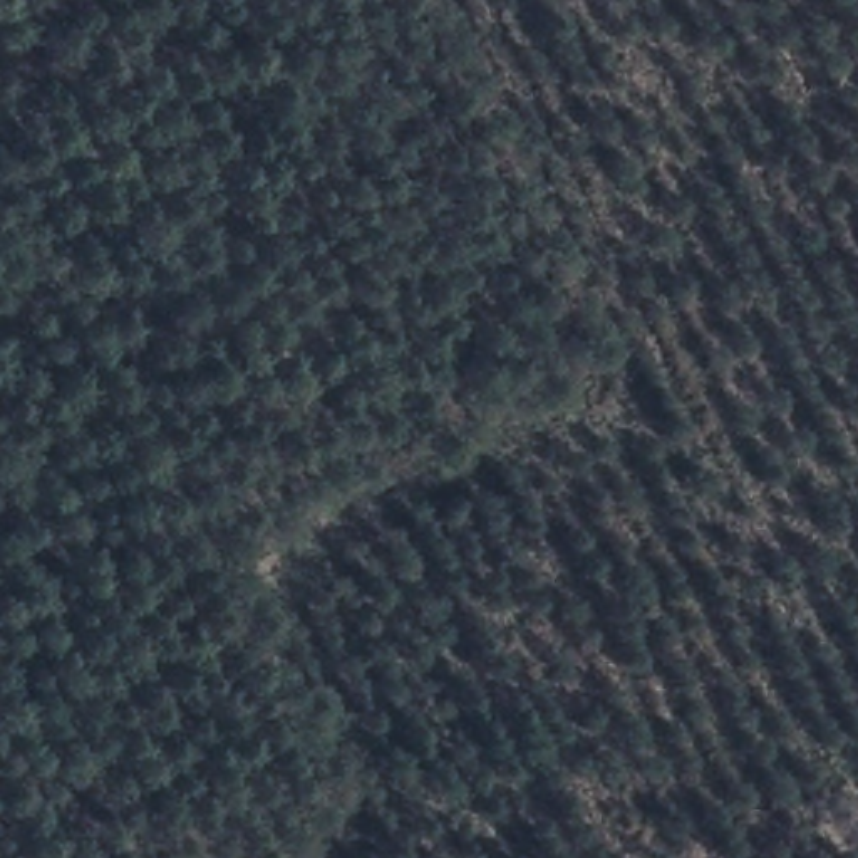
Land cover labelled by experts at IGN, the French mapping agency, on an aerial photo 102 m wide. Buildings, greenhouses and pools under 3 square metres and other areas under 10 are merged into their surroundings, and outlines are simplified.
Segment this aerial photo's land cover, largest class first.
<instances>
[{"label":"coniferous trees","instance_id":"1","mask_svg":"<svg viewBox=\"0 0 858 858\"><path fill-rule=\"evenodd\" d=\"M47 13H54L50 0H0V23H10V50H30L40 37L37 27ZM483 7V0H412V54L402 67L406 84L395 90L389 70L372 60L379 50L395 44L389 0H137L124 17L134 44L124 54L114 50V67L101 74L94 84V104L101 121L84 127L77 104H60L70 141L54 144V131L44 117H37L34 131L40 158L34 164H17L10 174L0 178V315H13L20 295L34 288L37 258L50 248V241H67L87 228L84 208H77L67 221L54 228L44 225L40 208L67 194V178L60 164L80 158L94 144H114L121 158L117 164H101L87 174V184L111 198L114 225H127L134 204H141L151 215V225L127 251L111 255L104 245L94 248L90 265L97 278L67 288L60 298L80 315V322L94 318L111 292L178 295L191 312L181 325L178 349L168 355V369L161 372L164 389H141L134 365L121 359L124 349H141L147 339V322L141 315H131V322H121L117 328L111 325L97 339V355L90 359L87 375L67 399L50 389V379L44 372H34L23 362H17V342H0V509L20 506V533L10 536V550L0 556V580L20 570V580L30 587V600H17L7 607V613H0V818H23L37 824L34 858H141L134 845V835L141 828H168L171 838L191 828V804L204 791V781L194 764L198 754L218 737V727L204 724L194 734V741L178 754H164L161 744L171 731H178L184 707H208L215 700L235 711L238 737L251 734L261 721L271 717L285 737L292 771L302 781L305 794L295 804L285 801L282 788L268 791V801L258 804L251 798L248 774L268 764V741L251 754H225V771L238 798V811L251 821L258 841L268 848L271 858H325L328 845L359 811V801L375 808L402 858H456L446 848L439 811H426L429 791L419 784V768L406 751L395 754V771L402 781V794L422 818V828H399V814L385 801L375 768L362 761L349 734V717L335 687L325 680L322 664L312 654L308 630L295 620V613H288L282 587L275 580L261 583L258 560H285L292 553H305L315 543V526L335 523L342 509L352 506L359 496H382L399 479L412 476L456 479L476 466V459L499 456L506 449H523L533 439V432H550L553 426L583 419L593 406H603L607 399H617L623 406L627 342L637 339L640 318L633 312L620 325H613L607 315V302L617 295V268L613 258L597 245L590 208L576 181L570 178L560 151L550 144L533 97L516 101L509 121L489 131V137L479 147H466L456 158V174L463 188L449 198L439 188L419 181L409 184L422 154L446 144V131H426L409 141V147L399 158L392 151L395 127L432 101L419 80V70L432 57V34L446 30L456 40V50H449V57L439 67V80L469 70L476 77V90L463 104V114L469 121L479 117L499 90L493 64L476 40V10ZM174 20L181 27H194L211 50H218L238 23L258 27L265 34L261 57H235L228 74H208L201 60L188 57L198 87L181 90L174 84V74L154 57L158 37ZM268 84H275L288 97V107L282 124L265 137L248 188L258 201V218L271 238V248L282 251L271 265L258 258L251 245L225 238L221 215L228 204L218 178V171L228 168L241 151V134L235 131L228 114L235 90H261ZM342 101L349 114L362 121V131L372 141V154L379 161L365 178L352 171L345 141L335 137L328 147L312 137L315 117L339 107ZM506 144H516L523 158L516 168L523 191L519 198L530 204L540 225L536 231H526V218L503 211L506 188L496 171V161L506 154ZM322 174L339 178L325 194L332 225L315 238L305 228L302 211L282 215L278 204L292 191V184L315 181ZM560 191L573 208L576 235H566L553 248L546 235L560 225V215L550 194ZM191 231L201 235L208 251V265L194 271L181 251V241ZM342 238L349 241L352 258L375 285L379 315L365 325H349V349L339 359H332V365L315 372L312 359H305L295 369L298 375L292 382H282L275 362L265 352V339L282 335V345L295 349L298 339L312 325H318L328 308L345 305L349 282L342 265L328 251ZM566 312L583 315L590 325L587 339L580 342V355H563L556 349V332ZM215 322H231L248 339V359L241 365H235L225 342L194 345L201 332ZM469 335L493 352L489 375H463L456 369V345ZM365 362L372 369L369 385L355 392L352 409L342 419L328 416V409L318 402L322 392L339 385L345 372L362 369ZM221 402L241 406V426L248 439L228 442L225 449H211L208 442L218 432ZM97 406L104 412H127L131 429H124L121 436L94 439L80 422ZM64 439L70 442L74 466L111 463L121 479L97 483L77 496L44 459L47 449ZM111 496H127L134 513L90 523L87 506ZM198 570L204 573V580L215 590V600L221 603V627L211 633L201 630L198 640L181 637L178 627L194 617V603H184L174 610L164 630L147 640L137 630L141 620L151 610H158V603L188 573ZM87 593H97L94 613L87 617L90 637L97 644L90 650H77L64 610ZM40 617L50 620L57 660L54 670L44 677L47 704L34 707L23 687V667L37 650L30 623ZM225 650H235V654H238V660L245 664L248 677H251V680H248V684H245L241 690H235V687L228 684V677H225V667H221V654H225ZM161 660H184V664H191V680H188V684H174V687H168V684H164V677L158 674V664H161ZM44 724H57L60 737H64V741L70 744V751L77 754V761H57V754H54V751H50V747L44 744V734H40V727H44ZM117 757L134 764L121 788V801L131 804L147 798L151 791H161L171 811H147L134 818L124 831L107 821H90L84 835L70 841L57 814ZM610 7L623 23V40L633 47L644 44V30L657 34L660 23L677 20L684 44L700 50L690 64V90L700 104L714 97L711 77L717 64H724L744 40L757 57L761 70L768 74V87H774L781 77L778 50L788 47L798 54V30L788 34L781 44H768L751 20L747 0H613ZM107 27L104 10L97 7L77 27L74 37L64 40V57L57 64L80 70L90 60L94 40ZM556 34L563 50L570 54L580 90L587 94L597 84V77L576 40V23L563 20ZM818 47L828 54L831 74L838 80L848 77L851 60L838 44V27L828 20L814 30ZM600 57L613 77V90L623 97L633 87L637 70L623 67V54L603 50ZM23 80L0 77V117L17 114ZM603 124V137L613 144L617 137H623L617 114L623 104L587 97ZM680 141V151L670 154V168H690L700 158V144L674 101L670 107H664ZM784 114L791 137L804 154L818 151V134L804 117V107L788 104ZM851 184L858 191V127H848L838 137ZM737 184L744 188L764 238L774 248V258L791 278L801 308L808 312L814 339H831L835 328L821 312V298L804 278L801 265L794 261L788 238L774 221V201L754 171L744 178L737 174ZM694 204H684L670 215L667 228L657 238L664 258H680L684 241L694 235ZM741 265L754 282V292L741 295L734 285H724L721 292V305L737 332V342H731L721 352V372H737V365H751L761 355V339L751 328L747 312H778L774 285L757 251H751L741 258ZM828 285L858 342V305L848 292L841 265L828 268ZM640 292L654 305L664 335L674 339L677 318L700 302L697 282H684L674 295L664 298L654 275H644ZM811 409L824 422L831 446L841 449V459L835 466L814 459L811 432H798L791 436V442H781L764 459L768 476L757 483L737 459L717 409H711L704 422L694 426L670 375H660L654 382L670 419V429L660 432L650 446V466L657 473V483L687 536L690 556L704 563L711 590L721 600V610L737 613V607L764 603L771 613L791 677L798 680V690L811 707L814 721L828 734V744L811 741L794 724L791 711L778 714V727L788 734V747L811 768L814 788L831 784L845 791V784L855 781V771L845 761V734L828 714L821 690L808 670L804 650L794 637V630H801L818 613L804 593L798 560L778 566L791 587V593H781V587L771 583L764 570L751 560V536H757L768 550H781L774 530L791 526L794 533L814 543L818 576L835 607L841 610L848 633L858 647V385L851 379L841 382L848 412H838L821 392L818 375H801ZM674 452H684V456H687V463H690V466H697V479H700V483H697V489H684V486H680V483L674 479V473H670V456H674ZM801 469L811 476L814 493L831 513V533L818 530L788 489L791 476ZM700 519H714L734 533L737 570L731 580L724 576L717 553L700 530ZM600 446L576 463L580 476L617 459V439L597 436ZM540 469L546 483L540 489L530 486L523 469L506 473V483L526 506L530 533L519 540L509 530L503 499L489 493L486 513L493 536L503 543L506 556L516 560V566L526 573L530 587H546V580L556 570V553L550 546L553 523L570 526L580 553L593 550L597 540L610 530L630 576L623 603V637L630 647V664L640 674H650L654 660L647 650L644 620L657 603V583L637 553V543L647 540L654 556L664 560L677 600L694 593L687 573L677 566L667 540L654 530L640 483L627 489V513L613 509L610 493H600L597 516L583 523L573 513L560 463L553 456H543ZM416 519L429 533L442 570H459L456 546L439 530L436 509L419 506ZM389 543L395 546V553L382 563L365 543L349 546V560H355L375 583L372 593H359L352 580H339L318 607L335 660L342 670H349L365 707V717L375 727V737H389V717L375 707L369 684V670L382 664L392 700L422 741L432 771L446 784L449 811L463 808L466 798L479 791L489 794L493 788L509 784L523 788L533 774L546 768V778L556 788L580 774L597 778L603 788H610L613 794L600 801V814L613 821V831L620 824L637 821V794L623 801L617 794V788L630 784V768L617 751L607 757L580 761L573 768H566L556 754L563 744L607 731V714L600 711L590 721L570 724L563 707L546 711L540 717L533 700L519 697L516 714L526 721L533 741L516 751L509 731L489 707V697L476 670L466 667L459 680L483 727L493 734L496 754L506 761V774H489V768L479 764L476 744L459 731L456 707L436 700L439 687L429 667L456 647L449 613L452 607H466L486 654L493 657L499 680L506 684L516 677V654H506L503 623H489L496 610H513L509 580L496 573L493 597H476L469 590V580L446 583L442 593H432L422 580V560L416 546L402 530H395ZM342 600L349 607L375 610L365 623L369 654L362 657H355L345 647L339 620ZM734 640L744 654V667H727L717 677L734 700V714L744 734H751L761 727V721L747 700V690H754L751 670L764 667V660L757 654V644L751 640V627L744 623L734 630ZM546 644L560 670H543V677L533 680L543 694L576 687L580 664L607 654L600 633L570 647L560 633H553ZM821 660L828 664V674L838 684V694L858 731V687L851 684L838 647H821ZM674 667L690 697V717L704 731L714 724V707L707 700L694 660L680 657ZM674 741L684 751L687 774L700 778L704 761L690 734L677 727ZM761 764L768 778L778 784V808L788 811L801 841L821 835V828L808 818L794 774H788L778 761V747L764 744ZM734 858H747V831L757 824V791L751 788L727 804L721 798L711 808ZM566 804H570V818L576 821V824H580V835H583V841H587V845H590V855H593V858H610V848L597 841V835H593V828H590V824H583V821H580V808H576V798H570ZM667 851H687L697 845L694 821L690 814H684L674 821L667 835H660Z\"/></svg>","mask_w":858,"mask_h":858},{"label":"bare soil","instance_id":"2","mask_svg":"<svg viewBox=\"0 0 858 858\"><path fill-rule=\"evenodd\" d=\"M613 0H483V7L476 10V40L493 64L499 90L479 117L489 131L509 121L516 101L533 97L550 144L560 151L570 178L576 181L590 208L597 245L613 258L617 268V295L607 302V315L613 325H620L633 312L640 318L637 339L627 342L623 406L617 399H607L603 406H593L583 419L553 426L550 432H533V439L523 449H506L499 456L476 459V466L456 479L412 476L399 479L382 496H359L352 506L342 509L335 523L315 526V543L305 553H292L285 560H258L261 583L275 580L282 587L288 613H295V620L308 630L312 654L322 664L325 680L335 687L349 717V734L362 761L375 768L385 801L399 814V828H422V818L402 794V781L395 771V754L406 751L419 768V784L429 791L426 811H439L446 848L456 858H593V855H590V845H587V841H583V835H580V824H576V821L570 818V804H566L570 798H576V808H580V821H583V824H590V828H593V835H597V841L610 848V858H734L711 808L721 798L727 804L751 788L757 791V824L747 831V858H848L841 851L845 835L838 824L851 814L845 801L858 794V731L838 694V684L828 674V664L821 660V647H838L851 684L858 687V647L848 633L841 610L835 607L818 576L814 543L794 533L791 526L774 530L781 550H768L757 536H751V560L764 570L771 583L781 587V593H791V587L778 566L798 560L804 593L818 613L801 630H794V637L804 650L808 670L821 690L828 714L845 734V761L855 771V781L845 784V791L831 784L814 788L811 768L788 747V734L778 727V714L791 711L794 724L811 741L828 744V734L814 721L811 707L798 690V680L791 677L771 613L764 603L737 607V613L721 610V600L711 590L704 563L690 556L687 536L657 483V473L650 466V446L660 432L670 429V419L654 382L660 375H670L694 426L704 422L711 409H717L737 459L757 483L768 476L764 459L781 442H791V436L798 432H811L814 459L835 466L841 459V449L831 446L824 422L811 409L801 375H818L821 392L838 412H848L841 382L851 379L858 385V342L828 285V268L841 265L848 292L858 305V191L851 184L838 137L848 127H858V0H821L828 20L838 27V44L851 60L848 77L838 80L831 74L828 54L818 47L814 30H798V54L788 47L778 50L781 77L774 87H768V74L761 70L757 57L744 40L724 64H717L711 77L714 97L700 104L690 90V64L700 50L684 44L677 20L660 23L657 34L644 30V44L633 47L623 40V23L610 7ZM563 20L576 23V40L597 77V84L587 94L580 90L570 54L563 50L556 34ZM603 50L623 54V67L637 70L633 87L623 97L613 90V77L600 57ZM587 97L623 104L617 114L623 137H617L613 144L603 137V124ZM674 101L700 144V158L690 168H670V154L680 151V141L664 107H670ZM788 104L804 107V117L818 134V151L804 154L791 137L784 114ZM754 171L774 201V221L788 238L794 261L801 265L804 278L821 298V312L835 328L831 339H814L808 312L801 308L791 278L774 258V248L764 238L744 188L737 184V174L744 178ZM684 204H694V235L684 241L680 258H664L657 238L667 228L670 215ZM751 251H757L774 285L778 312H747L751 328L761 339V355L751 365H737V372H721V352L731 342H737V332L721 305V292L724 285H734L741 295L754 292V282L741 265V258ZM644 275H654L664 298L674 295L684 282H697L700 302L677 318L674 339L664 335L654 305L640 292ZM597 436L617 439V459L580 476L576 463L600 446ZM543 456H553L560 463L573 513L583 523L597 516L600 493H610L613 509L627 513V489L640 483L654 530L667 540L677 566L687 573L694 593L677 600L664 560L654 556L647 540L637 543V553L657 583V603L644 620L647 650L654 660L650 674H640L630 664V647L623 637V603L630 576L610 530L597 540L593 550L580 553L570 526L553 523L550 546L556 553V570L546 580V587H530L526 573L516 566V560L506 556L503 543L493 536L486 513L489 493L503 499L509 530L519 540L530 533L526 506L506 483V473L523 469L530 486L540 489L546 483L540 469ZM419 506L436 509L439 530L456 546L459 570H442L429 533L416 519ZM395 530H402L416 546L422 560V580L432 593H442L446 583L469 580V590L476 597H493L496 573L509 580L513 610H496L489 623H503L506 654H516V677L506 684L499 680L493 657L486 654L466 607H452L449 613L456 647L429 667L439 687L436 700L456 707L459 731L476 744L479 764L489 768V774H506V761L496 754L493 734L483 727L459 680L466 667L476 670L489 697V707L509 731L516 751L533 741L526 721L516 714L519 697L533 700L540 717L546 711L563 707L570 724L590 721L600 711L607 714V731L563 744L556 754L566 768H573L580 761L607 757L617 751L630 768V784L617 788V794L623 801L637 794V821L620 824L613 831V821L600 814V801L613 794L610 788H603L597 778L580 774L556 788L546 778V768L533 774L523 788L509 784L493 788L489 794L479 791L466 798L463 808L449 811L446 784L432 771L422 741L392 700L382 664L369 670V684L375 707L389 717V737H375V727L365 717V707L349 670H342L335 660L318 607L339 580H352L359 593H372L375 583L355 560H349V546L365 543L382 563L395 553V546L389 543ZM744 623L751 627V640L757 644V654L764 660V667L751 670L754 690H747V700L761 721V727L751 734H744L734 714V700L717 677L727 667H744V654L734 640V630ZM553 633H560L570 647L600 633L607 654L580 664L576 687L543 694L533 680L543 677V670H560L546 644ZM680 657L694 660L707 700L714 707V724L704 731L690 717V697L674 667ZM677 727L690 734L704 761L700 778L687 774L684 751L674 741ZM764 744L778 747V761L788 774H794L808 818L821 828V835L801 841L788 811L778 808V784L768 778L761 764ZM684 814H690L694 821L697 845L687 851H667L660 835H667L674 821ZM670 473H674V479L680 483V486H684V489H697V483H700V479H697V466H690V463H687V456H684V452H674V456H670ZM788 489L818 530L831 533V513L814 493L811 476L801 469L791 476ZM700 530L717 553L724 576L731 580L737 570L734 533L714 519H700ZM375 610L349 607L342 600L339 620L345 647L355 657H362L369 654L365 623Z\"/></svg>","mask_w":858,"mask_h":858},{"label":"brushwood","instance_id":"3","mask_svg":"<svg viewBox=\"0 0 858 858\"><path fill-rule=\"evenodd\" d=\"M54 13H47L37 27L40 37L30 50H10V23H0V77L23 80L17 114L0 117V178L10 174L17 164H34L40 158L34 131L37 117H44L54 131V144L70 141L60 104H77L84 127L101 121L94 104V84L101 74L114 67V50L124 54L134 44L124 17L137 0H50ZM97 7L104 10L107 27L94 40L90 60L80 70L57 64L64 57V40L74 37L77 27ZM412 0H389L395 44L379 50L372 60L389 70L395 90L406 84L402 67L412 54ZM751 20L768 44H781L788 34L798 30H814L828 20L821 0H747ZM265 34L258 27L238 23L218 50H211L194 27H181L174 20L158 37L154 57L174 74V84L181 90L198 87L188 57L201 60L208 74H228L235 57H261ZM449 50H456V40L446 30L432 34V57L419 70V80L432 101L395 127L392 151L399 158L409 147V141L426 131H446V144L422 154L409 184L419 181L439 188L449 198L463 188L456 174V158L466 147H479L489 137V131L479 117L469 121L463 114V104L476 90V77L469 70L439 80V67L449 57ZM288 107V97L275 84H268L261 90H235L228 114L235 131L241 134V151L228 168L218 171V178L228 204L221 215L225 238L251 245L258 258L271 265L282 251L271 248V238L258 218V201L248 188L265 137L282 124ZM312 137L328 147L335 137L345 141L352 171L365 178L379 161L372 154V141L362 131V121L349 114L342 101L339 107L315 117ZM121 158L114 144H94L80 158L60 164L67 178V194L40 208L44 225L54 228L67 221L77 208H84L87 228L67 241H50V248L37 258L34 288L20 295L13 315H0V342H17V362H23L34 372H44L50 379V389L67 399L87 375L90 359L97 355V339L111 325L117 328L121 322H131V315H141L147 322V339L141 349H124L121 359L134 365L141 389H164L161 372L168 369V355L178 349L181 325L191 312L178 295L111 292L94 318L80 322V315L60 298L67 288L97 278L90 265L94 248L104 245L111 255L127 251L151 225V215L141 204H134L127 225H114L111 198L87 184V174L101 164H117ZM523 158L516 144H506V154L496 161V171L506 188L503 211L526 218V231H536L540 225L530 204L519 198L523 191L516 168ZM339 178L322 174L315 181L292 184V191L278 204L282 215L302 211L305 228L315 238L332 225L325 194ZM560 215V225L546 235L553 248L566 235H576L573 208L560 191L550 194ZM181 251L194 271L208 265V251L201 235L191 231L181 241ZM328 251L342 265L349 282L345 305L328 308L318 325H312L298 339L295 349L282 345V335L265 339V352L275 362L282 382H292L298 375L295 369L305 359H312L315 372L332 365V359H339L349 349V325H365L379 315L375 285L352 258L349 241L342 238ZM590 325L583 315L566 312L556 332V349L563 355H580V342L587 339ZM225 342L235 365H241L248 359V339L231 322H215L201 332L194 345ZM493 352L469 335L456 345V369L463 375H489ZM372 369L365 362L362 369L345 372L339 385L322 392L318 402L328 409V416L342 419L352 409L355 392L369 385ZM241 406L221 402L218 432L208 442L211 449H225L228 442L248 439L241 426ZM94 439L121 436L124 429H131L127 412H104L97 406L80 422ZM70 442L64 439L47 449L44 459L77 496L97 483L121 479L111 463L74 466ZM134 513L127 496H111L87 506L90 523ZM20 533V506L0 509V556L10 550V536ZM17 600H30V587L20 580V570L0 580V613H7V607ZM184 603H194V617L178 627L181 637L198 640L201 630L211 633L221 627V603L215 600V590L204 580V573L198 570L188 573L158 603V610H151L141 620L137 630L147 640L164 630L174 610ZM97 593H87L64 610L77 650H90L97 644L90 637L87 617L94 613ZM37 650L23 667V687L34 707L47 704L44 677L54 670L57 660L50 620L40 617L30 623ZM221 667H225V677H228V684L235 687V690H241L245 684H248V680H251V677H248L245 664L238 660V654H235V650H225V654H221ZM158 674L164 677V684H168V687H174V684H188V680H191V664H184V660H161V664H158ZM204 724L218 727V737L198 754L194 764L204 781V791L191 804V828L171 838L168 828H141L134 835V845L141 858H271L268 848L258 841L251 821L238 811V798L225 771V754H251L268 741V764L248 774L251 798L258 804L268 801V791L282 788L285 801L295 804L305 794L302 781L292 771L285 737L271 717L261 721L251 734L238 737L235 711L215 700L208 707H184L178 731H171L161 744L164 754H178L194 741V734ZM40 734H44V744L50 747V751H54V754H57V761H77V754L70 751V744L64 741V737H60L57 724H44V727H40ZM134 764L117 757L57 814L70 841L84 835L90 821H107L124 831L134 818L147 811H171L161 791H151L147 798L131 804L121 801V788ZM325 858H402L375 808L359 801V811L328 845ZM37 824L23 818H0V858H34Z\"/></svg>","mask_w":858,"mask_h":858},{"label":"deciduous trees","instance_id":"4","mask_svg":"<svg viewBox=\"0 0 858 858\"><path fill-rule=\"evenodd\" d=\"M851 814L838 824L845 835L841 851L848 858H858V794L845 801Z\"/></svg>","mask_w":858,"mask_h":858}]
</instances>
